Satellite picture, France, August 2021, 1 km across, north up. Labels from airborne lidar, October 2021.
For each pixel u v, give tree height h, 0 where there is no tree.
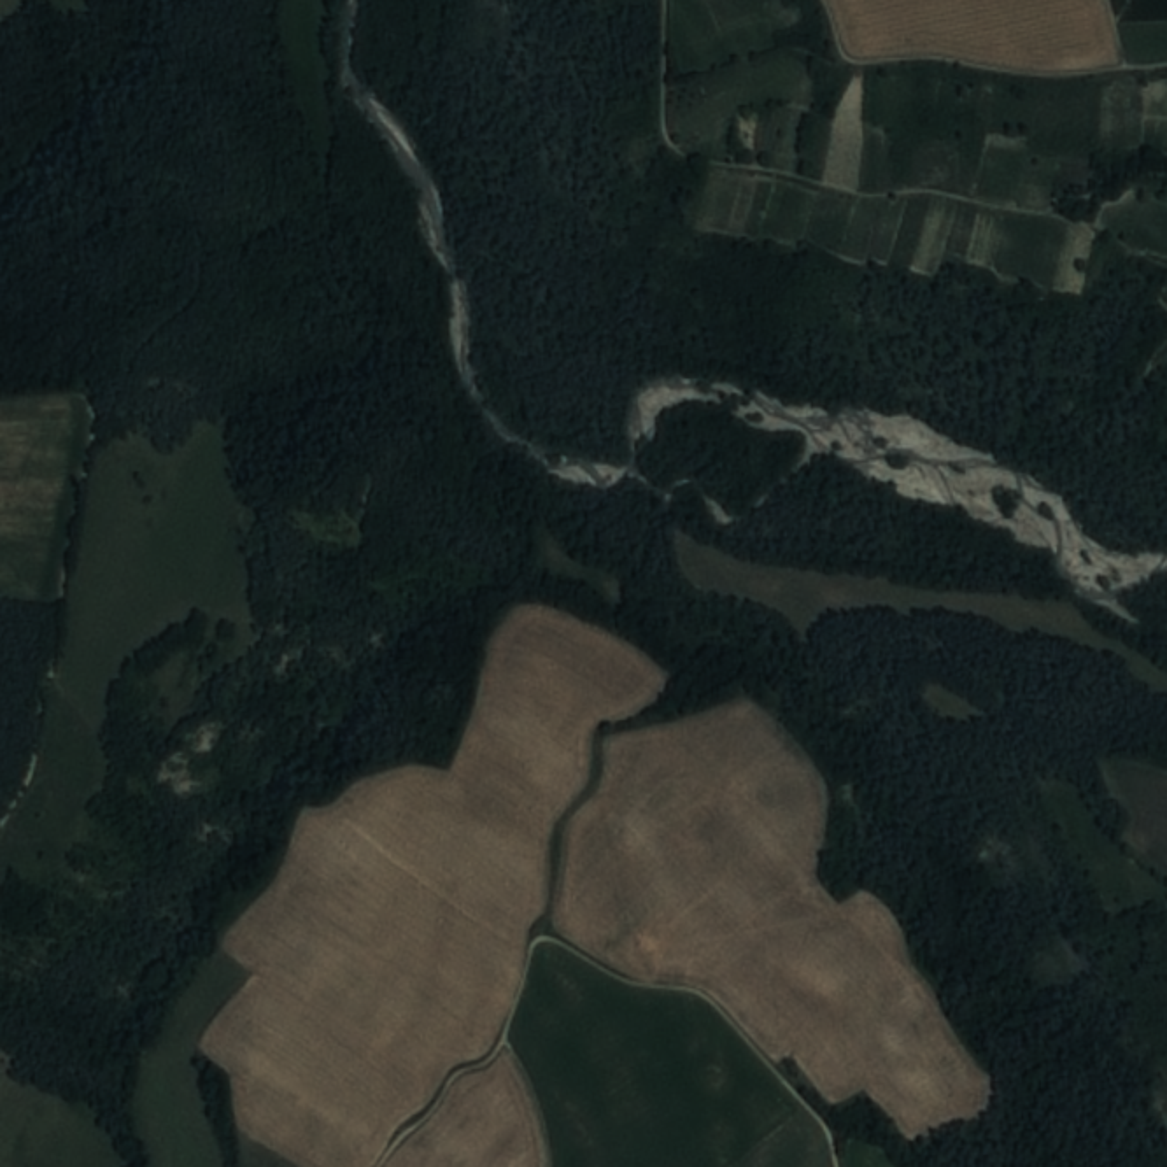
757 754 0
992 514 0
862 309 13
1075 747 14
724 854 0
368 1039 0
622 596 6
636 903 0
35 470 0
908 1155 7
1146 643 16
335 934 0
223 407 11
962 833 15
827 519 12
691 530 14
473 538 12
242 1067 0
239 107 13
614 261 7
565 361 15
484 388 13
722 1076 0
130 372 7
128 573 0
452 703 7
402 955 0
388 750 17
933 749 10
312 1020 0
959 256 0
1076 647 16
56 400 0
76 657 0
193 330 11
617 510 18
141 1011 12
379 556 14
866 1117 8
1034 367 17
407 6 8
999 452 11
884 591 0
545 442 6
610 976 0
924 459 0
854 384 8
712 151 0
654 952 0
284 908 0
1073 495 14
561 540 6
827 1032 0
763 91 0
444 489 13
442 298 10
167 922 13
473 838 0
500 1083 0
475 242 11
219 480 0
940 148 0
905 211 0
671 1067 0
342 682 16
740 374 12
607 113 6
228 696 10
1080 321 7
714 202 0
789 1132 0
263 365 12
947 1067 0
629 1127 0
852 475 15
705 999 0
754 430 10
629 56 13
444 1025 0
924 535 13
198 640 6
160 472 0
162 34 12
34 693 12
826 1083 0
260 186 12
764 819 0
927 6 0
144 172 13
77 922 9
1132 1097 18
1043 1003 13
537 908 0
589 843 0
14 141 10
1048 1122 18
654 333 12
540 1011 0
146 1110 0
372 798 0
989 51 0
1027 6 0
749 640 10
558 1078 0
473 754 0
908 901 12
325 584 17
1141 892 0
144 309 14
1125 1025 8
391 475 14
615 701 0
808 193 0
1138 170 9
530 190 8
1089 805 6
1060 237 0
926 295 11
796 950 0
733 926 0
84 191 21
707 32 0
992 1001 10
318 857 0
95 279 18
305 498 11
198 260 9
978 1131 10
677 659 7
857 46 0
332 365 17
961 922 18
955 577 15
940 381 13
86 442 0
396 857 0
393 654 14
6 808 13
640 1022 0
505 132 13
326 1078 0
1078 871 6
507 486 8
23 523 0
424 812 0
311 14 0
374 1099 0
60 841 0
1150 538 8
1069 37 0
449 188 16
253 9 14
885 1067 0
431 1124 0
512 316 11
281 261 11
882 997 0
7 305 16
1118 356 15
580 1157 0
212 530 0
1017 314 9
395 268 9
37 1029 12
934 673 17
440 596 17
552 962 0
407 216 10
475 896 0
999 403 12
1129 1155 13
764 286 7
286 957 0
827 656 17
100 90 18
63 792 0
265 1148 0
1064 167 0
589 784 0
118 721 14
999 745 16
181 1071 0
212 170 11
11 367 15
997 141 0
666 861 0
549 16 10
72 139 21
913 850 18
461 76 7
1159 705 14
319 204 9
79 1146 0
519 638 0
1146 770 0
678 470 6
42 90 19
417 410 25
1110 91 0
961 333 15
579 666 0
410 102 10
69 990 14
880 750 17
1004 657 10
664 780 0
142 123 15
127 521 0
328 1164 0
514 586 18
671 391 0
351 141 12
